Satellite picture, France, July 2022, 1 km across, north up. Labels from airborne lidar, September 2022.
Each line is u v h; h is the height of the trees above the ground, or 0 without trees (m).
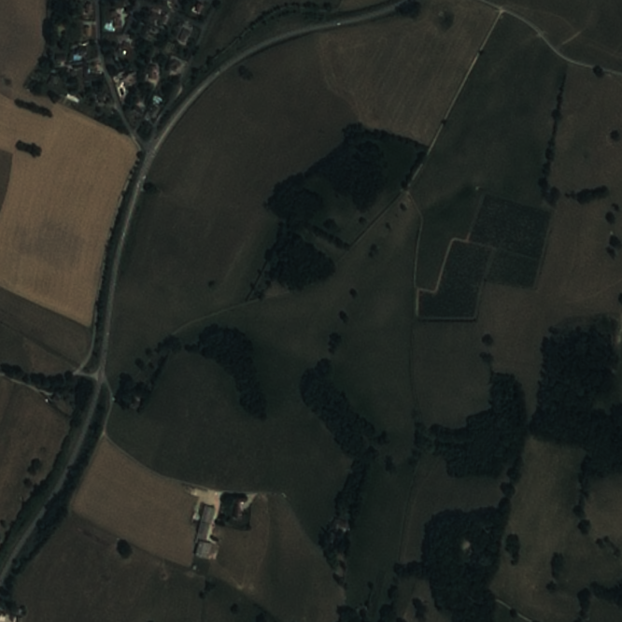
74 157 0
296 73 0
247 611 0
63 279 0
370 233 0
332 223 16
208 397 0
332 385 26
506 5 0
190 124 0
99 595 0
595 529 0
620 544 0
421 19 0
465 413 0
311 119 0
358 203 12
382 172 20
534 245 0
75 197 0
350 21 0
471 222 0
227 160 0
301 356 0
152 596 0
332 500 0
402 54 0
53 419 0
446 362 0
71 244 0
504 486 14
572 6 0
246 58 0
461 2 0
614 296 0
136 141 0
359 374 0
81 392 13
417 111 0
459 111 0
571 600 0
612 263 0
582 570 0
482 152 0
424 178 0
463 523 25
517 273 0
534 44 0
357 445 24
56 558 0
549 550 0
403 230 0
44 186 0
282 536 0
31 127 0
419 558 0
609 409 0
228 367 16
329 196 0
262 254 0
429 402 0
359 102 0
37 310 0
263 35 0
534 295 0
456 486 0
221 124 0
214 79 0
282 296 0
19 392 0
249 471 0
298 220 17
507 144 0
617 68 0
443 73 0
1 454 0
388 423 0
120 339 0
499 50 0
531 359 0
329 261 16
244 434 0
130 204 0
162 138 0
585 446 15
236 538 0
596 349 28
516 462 19
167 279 0
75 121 0
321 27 0
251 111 0
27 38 0
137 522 0
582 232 0
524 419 16
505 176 0
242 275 0
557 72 0
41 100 0
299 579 0
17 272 0
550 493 0
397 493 0
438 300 0
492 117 0
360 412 0
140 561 0
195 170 0
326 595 0
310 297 0
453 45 0
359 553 0
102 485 0
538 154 0
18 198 0
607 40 0
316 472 0
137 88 8
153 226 0
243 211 0
